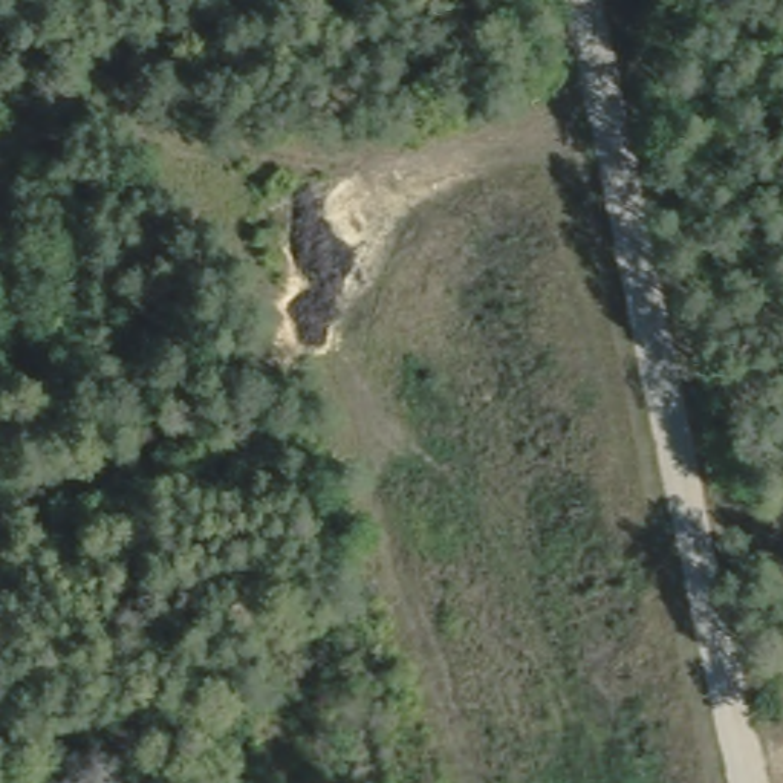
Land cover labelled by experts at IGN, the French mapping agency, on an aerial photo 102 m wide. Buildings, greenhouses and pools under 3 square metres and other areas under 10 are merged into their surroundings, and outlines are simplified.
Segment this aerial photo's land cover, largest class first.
<instances>
[{"label":"coniferous trees","instance_id":"1","mask_svg":"<svg viewBox=\"0 0 783 783\"><path fill-rule=\"evenodd\" d=\"M511 9L520 21V31H529L535 18L532 0H0V278L3 291L18 284L15 248L28 229H40L49 239L67 232L73 251V321H64V327L46 340H31L28 324H12V330L0 336V783H352V774L324 777L306 752L297 749V740L303 734L318 737L321 731H327L321 713L352 697L343 661L352 655L340 642H327L321 633L336 618H346L352 612L355 584L343 578V538L364 517L349 511L327 514L318 495L321 486L315 483V474H333L343 480L346 465L327 453H318L340 428L336 422H330L318 392L300 385L306 379V370L294 367H278L275 343L260 340L248 330L251 309L245 303V294L236 288V257L211 254L208 220L193 217L187 208H174L171 193L153 184L125 187L119 180L125 153L119 144L116 116L132 113L147 128L177 132L184 141H199L205 150L199 159L208 165L223 162L232 153L263 156L297 141H306L312 150H349L367 141H401L410 153L422 150V144L434 138L450 141L456 135H468L471 119L486 113L489 101H495L499 107H511L526 95L523 86L532 83V73L526 70L529 49H514L511 34H505L492 21V15ZM245 710L257 719L251 734L254 740L220 752L214 740L223 731H229L236 725V716ZM636 55L642 61V80L651 92L645 110L648 119H655V128L642 138V144L651 162V193L667 211L661 217V232L655 239V254L661 260L664 278L661 294L667 303V315L676 318L682 346L697 370L694 388L700 395V419L707 428L703 453L694 456L682 471L700 477L703 483L713 486L722 499H734L737 483L765 486L774 477H783V0H658L655 9H648V15L636 24ZM728 578L716 590V618L725 621V633L734 642V661H740L743 673L752 679L755 688L777 673L783 676V569L771 560V554H759L752 544L731 554L722 566Z\"/></svg>","mask_w":783,"mask_h":783},{"label":"herbaceous vegetation","instance_id":"2","mask_svg":"<svg viewBox=\"0 0 783 783\"><path fill-rule=\"evenodd\" d=\"M658 0H587L581 6L587 9L590 31L599 37L603 46L615 52V86L624 95V135L627 147L636 153V174L642 177V217L630 223L636 229L651 232L655 239L661 232V217L667 211L651 193V162L642 144V138L655 128V119H648L645 110L651 92L642 80V61L636 55V24L648 15V9H655ZM593 92L587 89V80L581 73H566L563 86L551 95L547 104L535 95H526L511 107H499L495 101H489L486 113L471 119L468 135H456L450 141L434 138L422 144V150L410 153L401 141H367L349 150H312L306 141H297L263 156L232 153L223 162L208 165L199 159L205 150L199 141H184L177 132L147 128L132 113L116 116L119 144H147V156L156 168L153 184L171 193L174 208H187L193 217L208 220L211 254L236 257V288L245 294V303L251 309L248 330L260 340L275 343V300L284 288V257L278 251H266V257H251L245 251V242L239 239V220L248 205V187H266L275 174V165H288L294 168V174H300V187L312 190V196L321 205L343 177H358L364 187H388L395 193V168H404L410 177H416L419 187L440 184L447 193L419 202L398 220L392 239L382 248L379 275L373 288L355 297L340 346L324 358L297 355L294 367L306 370V379L300 385L318 392L330 422H336L340 428L318 453H327L346 465L343 480L349 486V511L364 517H376V523L382 526V544L367 560L355 584L352 612L346 618H336L321 633L327 642H340L352 655L343 661L352 697L321 713L327 731H321L318 737L303 734L297 740V749L306 752L324 777L352 774V783H728L722 743L716 734V707H707L700 697L703 691H710V685L707 670L700 664L697 627L691 621V606L685 596L688 560L679 557L676 538L670 532L658 529L645 517L648 505L655 499H664L667 492L655 453V437L648 428V401L642 392V376L633 358L639 343L624 336L630 330V315L624 300L621 266L615 260L612 226L618 223V217L606 211V177L599 162H584L581 153L584 147H593L587 98ZM703 499L713 514L710 532H716L722 547L731 554L752 544L759 554H771V560L783 569V477H774L765 486V502L755 514L746 502L734 499H722L713 486L703 483ZM768 783H783V722H762L755 731Z\"/></svg>","mask_w":783,"mask_h":783},{"label":"pervious surface","instance_id":"3","mask_svg":"<svg viewBox=\"0 0 783 783\"><path fill-rule=\"evenodd\" d=\"M587 0H575L572 18L563 31L566 73H581L587 80V89L593 92L587 98L593 147H584L581 153L584 162H599L606 177V211L618 217V223L612 226L615 260L621 266L624 300L630 315V330L624 336L639 343L633 358L642 376V392L648 401V428L655 437V453L667 492L664 499H655L648 505L645 517L658 529L670 532L676 538L679 557L688 560L685 596L691 606V621L697 627L700 664L707 670L710 685V691H703L700 697L707 707H716V734L722 743L728 783H768L755 731L746 719L743 694L746 688H755L752 679L743 673L740 661H734V642L725 633V621L716 618V590L728 578L722 566L731 554L722 547L716 532H710L713 514L703 499V483L700 477L682 471L694 456L703 453L707 428L700 419V395L694 388L697 370L682 346L676 318L667 315V303L661 294L664 278L661 260L655 254V239L651 232L636 229L630 223L642 217V177L636 174V153L627 147L624 135V95L615 86V52L603 46L599 37L590 31L587 9L581 6ZM395 193L388 187H364L358 177H343L321 205L312 196V190L300 187L291 196V232L275 229L278 251L284 257V288L275 300V343L278 367H294L297 355L324 358L340 346L355 297L373 288L379 275L382 248L392 239L398 220L419 202L447 193L440 184L419 187L416 177H410L404 168H395Z\"/></svg>","mask_w":783,"mask_h":783},{"label":"deciduous trees","instance_id":"4","mask_svg":"<svg viewBox=\"0 0 783 783\"><path fill-rule=\"evenodd\" d=\"M535 18L529 31H520V21L511 9L492 15V21L505 34H511L514 49H529L526 70L532 73V83L523 86L526 95H535L547 104L551 95L563 86L566 73L563 31L572 18L575 0H532ZM125 153L119 180L125 187L153 184L156 168L147 156V144H119ZM18 284L3 291L0 278V336L12 330V324H28L31 340H46L64 327V321H73V251L67 232L49 239L40 229H28L15 248ZM315 483L321 486L318 495L327 514L349 511V486L343 480L333 474H315ZM734 499L746 502L755 514L765 502V486L737 483ZM343 578L355 584L367 560L382 544V526L376 523V517H364L343 538ZM746 719L755 731L762 722H783V676L777 673L755 688H746L743 694ZM257 719L245 710L236 716V725L229 731H223L214 740L220 752L254 740L251 734Z\"/></svg>","mask_w":783,"mask_h":783},{"label":"brushwood","instance_id":"5","mask_svg":"<svg viewBox=\"0 0 783 783\"><path fill-rule=\"evenodd\" d=\"M300 187V174H294V168L288 165H275V174L266 187H248V205L239 220V239L245 242V251L251 257H266V251H278L275 229L291 232V196Z\"/></svg>","mask_w":783,"mask_h":783}]
</instances>
